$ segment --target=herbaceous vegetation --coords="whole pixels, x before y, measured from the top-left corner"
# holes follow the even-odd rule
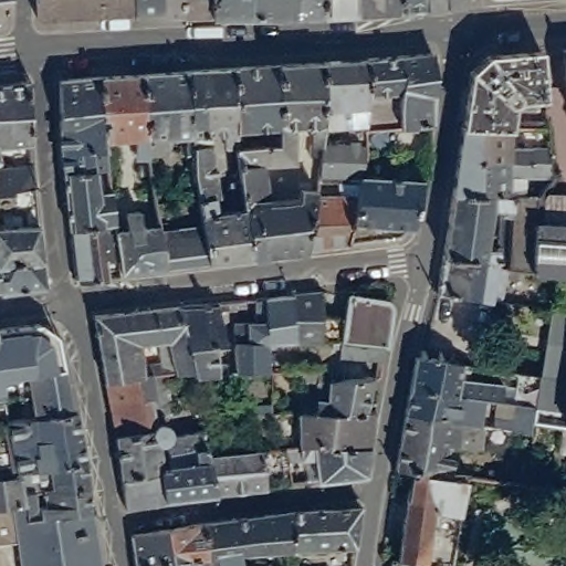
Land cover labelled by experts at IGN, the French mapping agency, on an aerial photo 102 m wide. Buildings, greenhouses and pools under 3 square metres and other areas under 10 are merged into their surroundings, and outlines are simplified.
[[[548,460],[537,460],[533,458],[531,447],[522,451],[511,451],[504,444],[495,444],[491,438],[482,433],[475,442],[464,440],[460,453],[442,458],[442,464],[453,464],[455,471],[433,475],[433,480],[438,482],[467,484],[469,478],[495,480],[502,500],[509,500],[509,504],[513,500],[524,500],[524,509],[531,509],[535,515],[544,511],[555,491],[566,489],[566,427],[535,422],[535,429],[562,433],[562,458],[551,455]]]
[[[153,436],[159,429],[172,429],[175,436],[190,436],[203,431],[197,418],[188,418],[188,409],[172,411],[168,416],[157,411],[157,420],[144,429],[144,436]]]
[[[310,385],[307,394],[301,394],[292,402],[292,413],[276,416],[283,436],[290,436],[290,440],[285,442],[287,451],[301,447],[301,418],[314,416],[318,402],[329,398],[329,391],[321,387],[323,378],[314,371],[307,371],[303,378]]]
[[[524,307],[528,307],[535,314],[539,310],[551,310],[557,298],[557,285],[555,281],[544,283],[537,274],[520,274],[520,281],[515,283],[517,294],[506,294],[500,301],[504,307],[509,307],[509,314],[513,316],[522,314]]]
[[[250,376],[252,382],[248,387],[248,394],[265,398],[265,391],[274,387],[290,391],[290,382],[281,374],[283,365],[310,363],[323,365],[327,369],[327,358],[334,356],[338,349],[336,345],[318,345],[316,354],[303,349],[279,349],[279,363],[272,367],[274,374]]]

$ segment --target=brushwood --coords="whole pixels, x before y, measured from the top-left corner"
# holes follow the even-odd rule
[[[122,181],[119,148],[106,144],[111,186],[117,186]]]

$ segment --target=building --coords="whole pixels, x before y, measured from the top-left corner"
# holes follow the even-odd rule
[[[9,427],[0,425],[0,444],[4,444],[9,458],[4,467],[13,473],[20,473],[20,480],[0,482],[0,566],[106,566],[106,562],[102,562],[99,535],[95,528],[91,467],[88,462],[80,462],[82,455],[86,455],[86,444],[82,436],[73,436],[75,429],[82,427],[82,420],[77,411],[73,411],[71,387],[64,378],[71,374],[71,367],[66,360],[64,340],[42,325],[0,329],[0,396],[9,398],[11,391],[31,391],[35,413],[31,422],[15,420]]]
[[[35,192],[33,164],[9,168],[4,164],[4,157],[22,157],[38,148],[38,139],[29,135],[29,126],[38,126],[38,119],[31,119],[31,86],[24,80],[18,86],[0,88],[0,298],[33,298],[40,303],[55,281],[51,276],[49,265],[51,256],[46,241],[46,217],[42,208],[42,195]]]
[[[548,113],[551,108],[559,108],[562,104],[566,113],[566,95],[562,97],[562,93],[553,84],[548,53],[495,57],[475,73],[471,84],[458,184],[449,208],[449,230],[444,241],[440,285],[447,285],[447,294],[458,298],[460,305],[484,303],[489,268],[497,270],[502,265],[506,272],[520,274],[537,274],[544,283],[555,281],[557,285],[566,283],[566,195],[528,197],[526,190],[531,181],[544,181],[551,177],[548,164],[555,153],[542,139],[542,133],[537,128],[522,128],[522,115],[539,111]]]
[[[349,553],[360,553],[360,546],[354,542],[354,535],[363,533],[363,522],[356,517],[358,509],[327,509],[303,513],[270,513],[245,520],[232,517],[201,522],[175,531],[137,533],[133,535],[135,566],[340,566]]]
[[[13,35],[13,0],[0,0],[0,35]]]
[[[358,170],[365,170],[371,161],[367,157],[367,148],[360,148],[356,144],[332,146],[327,137],[332,133],[354,133],[369,128],[369,111],[374,108],[376,97],[385,97],[391,102],[394,97],[402,99],[400,130],[411,133],[413,137],[420,133],[429,135],[438,139],[444,86],[442,82],[433,80],[438,73],[438,62],[431,51],[398,57],[367,57],[358,62],[336,60],[316,64],[230,66],[117,77],[93,75],[60,82],[60,133],[66,206],[71,234],[75,243],[77,274],[84,281],[93,279],[95,283],[102,283],[102,268],[108,268],[113,270],[113,279],[119,279],[119,285],[130,290],[146,285],[168,285],[172,279],[190,274],[199,276],[254,265],[283,265],[292,261],[303,261],[307,256],[338,256],[338,252],[347,245],[347,230],[352,226],[413,232],[420,221],[418,214],[429,214],[431,186],[425,186],[422,179],[363,179],[356,186],[349,186],[345,179]],[[210,139],[212,133],[234,133],[239,122],[243,122],[245,137],[283,135],[281,148],[243,150],[239,155],[239,159],[243,161],[243,212],[226,214],[221,210],[221,181],[203,179],[206,175],[217,175],[217,159],[212,148],[197,153],[199,195],[195,197],[192,206],[203,210],[203,239],[197,239],[195,228],[146,228],[144,214],[139,212],[128,214],[128,232],[122,232],[117,228],[117,212],[104,210],[106,192],[111,192],[111,186],[106,144],[119,148],[126,144],[130,146],[133,164],[153,164],[159,159],[164,161],[170,157],[177,144],[195,144],[199,135],[203,135],[203,139]],[[296,150],[296,137],[301,130],[307,133],[310,155],[323,150],[323,170],[316,190],[303,190],[301,197],[292,201],[265,201],[263,197],[272,192],[270,175],[274,170],[303,168]]]
[[[168,29],[177,29],[181,22],[192,22],[195,29],[223,31],[230,24],[281,27],[285,31],[327,31],[329,24],[356,22],[358,18],[385,22],[394,15],[418,13],[420,0],[55,0],[60,7],[55,9],[55,15],[49,20],[55,24],[93,24],[102,20],[146,20],[161,15]]]
[[[542,376],[517,376],[517,387],[486,387],[484,382],[471,380],[464,367],[451,365],[444,358],[429,358],[427,354],[420,354],[416,358],[405,411],[405,431],[398,449],[398,471],[413,480],[402,524],[400,564],[418,566],[451,566],[447,562],[453,548],[453,533],[449,526],[467,517],[471,500],[471,486],[467,484],[438,482],[433,480],[433,475],[455,471],[453,464],[442,464],[442,458],[460,453],[464,440],[475,442],[482,433],[482,429],[486,427],[489,411],[495,411],[497,416],[493,429],[504,431],[506,438],[533,436],[535,429],[535,422],[566,427],[566,316],[553,310],[551,325]]]
[[[405,329],[396,323],[398,307],[394,301],[352,296],[347,303],[347,316],[334,321],[325,314],[329,303],[325,301],[323,287],[318,285],[316,292],[296,292],[290,296],[261,298],[261,312],[254,316],[254,321],[234,325],[234,334],[250,336],[250,340],[254,340],[254,347],[228,347],[226,338],[230,316],[248,310],[248,301],[223,305],[170,305],[95,316],[95,323],[99,327],[97,338],[115,425],[106,431],[108,455],[117,451],[122,451],[124,455],[122,480],[126,486],[128,511],[142,513],[270,493],[270,478],[274,473],[294,473],[296,491],[336,486],[356,489],[374,480],[371,475],[365,475],[365,471],[367,467],[374,467],[369,453],[380,453],[385,449],[389,398],[394,396],[396,387],[398,354],[405,334]],[[279,349],[303,349],[316,354],[318,345],[336,345],[338,349],[334,356],[327,358],[327,369],[323,378],[321,387],[329,391],[329,398],[318,402],[314,416],[301,418],[301,447],[287,451],[217,458],[212,453],[206,453],[208,447],[203,440],[203,431],[190,436],[175,436],[172,429],[159,429],[153,436],[144,436],[144,429],[157,420],[157,411],[168,416],[172,411],[172,391],[168,389],[168,385],[175,380],[230,380],[232,374],[250,376],[274,374],[272,367],[279,363]],[[199,462],[195,467],[172,471],[166,471],[161,467],[166,458],[181,455],[197,458]]]

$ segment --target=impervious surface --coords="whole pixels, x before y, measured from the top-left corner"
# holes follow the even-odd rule
[[[555,153],[548,164],[551,177],[544,181],[531,181],[526,190],[528,197],[566,195],[566,113],[562,104],[559,108],[551,108],[548,113],[539,111],[522,115],[522,128],[537,128],[542,133],[542,139]]]
[[[13,473],[4,467],[9,458],[4,444],[0,444],[0,482],[20,480],[20,473]]]
[[[155,203],[135,201],[135,184],[142,177],[153,177],[153,164],[133,164],[130,146],[126,144],[119,148],[122,181],[117,186],[111,186],[111,192],[106,192],[104,210],[117,212],[117,228],[122,232],[128,232],[128,214],[139,212],[144,214],[146,228],[195,228],[197,239],[203,239],[203,210],[192,206],[186,217],[164,219],[166,208],[161,203],[161,197],[155,197]]]
[[[166,458],[161,467],[166,471],[172,471],[195,467],[199,462],[197,458],[181,455]]]
[[[509,500],[502,500],[495,502],[495,506],[489,506],[471,500],[467,517],[449,526],[453,533],[453,548],[447,562],[451,566],[473,566],[475,562],[482,562],[484,555],[509,555],[513,551],[517,559],[526,562],[528,566],[566,566],[566,559],[553,559],[551,564],[546,564],[533,551],[522,548],[526,539],[520,537],[520,524],[535,515],[531,509],[524,509],[524,500],[513,500],[509,504]]]
[[[245,137],[243,122],[239,122],[234,133],[212,133],[210,139],[203,139],[203,135],[199,135],[195,144],[177,144],[170,157],[164,161],[172,166],[172,177],[190,177],[195,197],[199,195],[197,153],[212,148],[217,159],[217,175],[206,175],[203,179],[221,181],[221,210],[226,214],[243,212],[243,161],[239,159],[239,155],[243,150],[281,148],[283,135]]]
[[[11,391],[9,398],[0,396],[0,425],[9,427],[15,420],[31,422],[35,413],[31,391]]]
[[[493,429],[497,416],[495,411],[489,411],[486,427],[482,429],[482,433],[491,438],[495,444],[504,444],[506,438],[504,431]]]
[[[360,148],[367,148],[367,157],[371,161],[365,170],[358,170],[345,179],[349,186],[356,186],[363,179],[422,179],[416,164],[407,161],[394,166],[387,159],[380,159],[378,155],[387,142],[409,144],[411,150],[420,150],[427,144],[429,135],[420,133],[413,137],[411,133],[400,130],[402,99],[394,97],[391,102],[385,97],[376,97],[374,108],[369,111],[369,128],[354,133],[332,133],[327,137],[332,146],[356,144]]]
[[[420,354],[427,354],[429,358],[444,358],[451,365],[464,367],[471,380],[484,382],[486,387],[517,387],[517,376],[542,376],[551,325],[542,325],[542,318],[535,318],[531,323],[539,332],[539,340],[535,336],[528,336],[526,343],[537,347],[539,358],[522,363],[511,380],[480,376],[471,374],[469,358],[464,354],[469,340],[478,340],[480,332],[489,329],[495,321],[513,316],[509,314],[509,307],[504,307],[500,301],[506,294],[517,294],[515,283],[520,281],[520,274],[506,272],[502,265],[497,270],[489,268],[484,303],[460,305],[458,298],[447,294],[447,285],[440,285],[444,241],[449,230],[449,208],[458,184],[471,84],[475,73],[495,57],[548,53],[553,84],[562,93],[562,97],[566,95],[566,0],[420,0],[418,13],[394,15],[385,22],[358,18],[356,22],[329,24],[327,31],[285,31],[281,27],[230,24],[223,31],[195,29],[192,22],[181,22],[177,29],[168,29],[161,15],[146,20],[102,20],[93,24],[55,24],[49,20],[55,15],[55,9],[60,7],[55,0],[13,0],[13,35],[0,35],[0,88],[18,86],[24,80],[31,86],[31,119],[38,119],[38,126],[29,126],[29,135],[38,139],[38,148],[22,157],[4,157],[4,164],[9,168],[33,164],[35,192],[42,195],[42,208],[46,217],[46,241],[51,256],[49,265],[51,276],[55,281],[40,303],[33,298],[0,298],[0,329],[42,325],[64,340],[66,360],[71,367],[71,374],[64,378],[71,387],[73,411],[77,411],[82,420],[82,427],[75,429],[73,436],[82,436],[86,444],[86,455],[82,455],[80,462],[88,462],[91,467],[95,528],[99,535],[102,562],[106,562],[106,566],[135,566],[133,535],[137,533],[175,531],[201,522],[232,517],[245,520],[270,513],[303,513],[327,509],[358,509],[356,517],[363,522],[363,533],[354,535],[354,542],[360,546],[360,553],[349,553],[340,566],[418,566],[400,564],[402,524],[413,480],[398,471],[398,449],[405,431],[405,411],[416,358]],[[93,279],[84,281],[77,274],[75,243],[71,234],[66,206],[60,133],[60,82],[93,75],[117,77],[230,66],[316,64],[336,60],[358,62],[367,57],[398,57],[431,51],[438,62],[438,73],[433,80],[442,82],[444,86],[438,139],[436,179],[431,186],[429,214],[418,214],[420,221],[413,232],[352,226],[347,230],[347,245],[338,252],[338,256],[307,256],[303,261],[292,261],[283,265],[254,265],[199,276],[190,274],[172,279],[168,285],[146,285],[130,290],[119,285],[119,279],[113,279],[113,270],[108,268],[102,268],[102,283],[95,283]],[[270,493],[142,513],[128,511],[126,486],[122,480],[124,455],[122,451],[117,451],[108,455],[106,431],[115,425],[97,338],[99,327],[95,323],[95,316],[170,305],[223,305],[248,301],[248,310],[230,316],[226,338],[228,347],[254,347],[254,340],[250,340],[250,336],[234,334],[234,325],[254,321],[254,316],[261,312],[261,298],[290,296],[296,292],[316,292],[318,285],[323,287],[325,301],[329,303],[325,314],[334,321],[347,316],[347,303],[352,296],[394,301],[398,307],[396,323],[405,329],[405,334],[398,354],[396,387],[394,396],[389,398],[385,449],[380,453],[369,453],[374,467],[367,467],[365,471],[365,475],[371,475],[374,480],[356,489],[336,486],[296,491]]]
[[[296,150],[303,168],[274,170],[270,175],[272,192],[263,197],[265,201],[292,201],[301,197],[303,190],[316,190],[323,170],[323,150],[310,155],[307,133],[301,130],[296,137]]]

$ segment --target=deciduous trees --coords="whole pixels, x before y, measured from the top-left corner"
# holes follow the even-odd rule
[[[528,566],[526,562],[517,559],[513,551],[509,555],[484,555],[482,562],[475,562],[473,566]]]
[[[409,144],[387,142],[378,155],[380,159],[387,159],[394,166],[407,161],[416,164],[422,179],[425,186],[431,186],[436,179],[438,139],[429,135],[427,144],[420,150],[411,150]]]
[[[274,387],[265,391],[265,398],[248,394],[248,387],[252,382],[250,376],[232,374],[230,380],[175,380],[168,385],[168,389],[172,391],[172,411],[188,409],[188,418],[197,418],[203,431],[203,440],[208,447],[206,453],[212,453],[217,458],[287,451],[285,442],[290,440],[290,436],[283,436],[276,416],[292,413],[292,402],[301,394],[307,394],[310,385],[303,378],[307,371],[314,371],[323,378],[327,369],[323,365],[310,363],[283,365],[281,374],[290,382],[290,391]]]
[[[135,201],[155,203],[155,197],[161,197],[161,203],[166,208],[164,219],[186,217],[192,206],[195,197],[190,177],[172,177],[172,166],[164,161],[159,159],[153,164],[153,177],[142,177],[135,184]]]
[[[553,559],[566,559],[566,489],[555,491],[544,511],[535,515],[520,524],[520,537],[526,539],[522,548],[533,551],[546,564],[551,564]]]
[[[531,323],[535,318],[542,318],[542,325],[551,325],[553,310],[566,316],[566,283],[557,285],[557,298],[551,310],[539,310],[535,314],[528,307],[524,307],[522,314],[513,316],[495,321],[489,329],[480,332],[478,340],[469,340],[464,354],[469,358],[471,374],[480,376],[511,380],[522,363],[539,358],[537,347],[526,343],[528,336],[535,336],[539,340],[539,332]]]
[[[296,491],[294,473],[274,473],[270,478],[270,493]]]
[[[551,455],[562,458],[562,433],[535,429],[533,436],[506,438],[504,444],[511,451],[522,451],[531,447],[533,458],[537,460],[548,460]]]
[[[495,502],[502,500],[495,480],[469,478],[467,484],[471,486],[471,500],[489,506],[495,506]]]

